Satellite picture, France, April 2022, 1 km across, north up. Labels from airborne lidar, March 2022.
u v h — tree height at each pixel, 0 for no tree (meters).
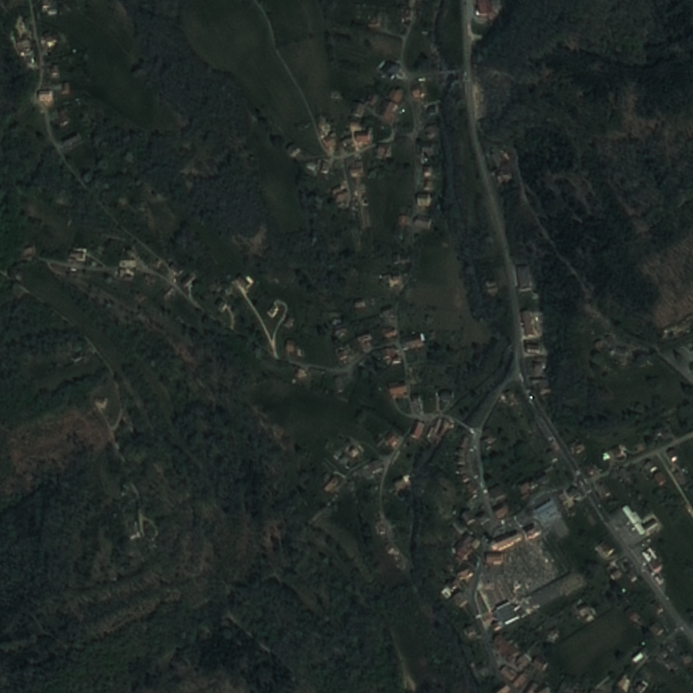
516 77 20
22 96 15
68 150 0
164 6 23
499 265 0
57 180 18
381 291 0
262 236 0
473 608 0
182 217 0
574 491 0
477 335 0
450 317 0
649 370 0
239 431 8
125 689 7
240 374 17
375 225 0
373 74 0
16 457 28
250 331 9
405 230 7
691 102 19
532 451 0
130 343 12
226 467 25
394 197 0
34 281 0
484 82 0
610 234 17
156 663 23
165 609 21
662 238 9
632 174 22
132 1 17
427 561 17
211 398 20
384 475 0
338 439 0
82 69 6
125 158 9
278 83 0
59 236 0
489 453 0
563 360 19
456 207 22
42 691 13
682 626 0
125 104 0
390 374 0
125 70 0
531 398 0
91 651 15
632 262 15
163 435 19
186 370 18
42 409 13
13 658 14
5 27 9
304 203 19
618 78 11
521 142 8
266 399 0
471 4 0
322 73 0
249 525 8
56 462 21
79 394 16
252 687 13
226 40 0
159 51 22
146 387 15
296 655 19
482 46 9
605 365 0
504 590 0
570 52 16
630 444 0
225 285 9
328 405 0
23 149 18
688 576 0
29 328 16
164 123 0
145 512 19
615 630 0
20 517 20
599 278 13
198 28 0
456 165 24
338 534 0
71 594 19
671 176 22
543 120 22
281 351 0
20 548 20
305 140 0
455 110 18
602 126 12
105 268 0
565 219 15
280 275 0
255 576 7
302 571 9
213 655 10
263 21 0
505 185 14
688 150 18
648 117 13
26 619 11
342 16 0
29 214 18
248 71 0
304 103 0
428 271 0
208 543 25
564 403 18
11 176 22
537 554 0
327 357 0
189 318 0
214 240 0
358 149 0
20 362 20
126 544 16
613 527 0
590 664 0
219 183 18
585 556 0
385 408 0
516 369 0
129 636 19
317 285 9
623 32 16
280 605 24
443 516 0
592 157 7
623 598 11
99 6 0
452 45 0
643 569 0
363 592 13
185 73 23
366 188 0
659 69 20
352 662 10
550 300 16
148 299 0
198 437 24
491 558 0
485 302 21
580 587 0
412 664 0
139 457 21
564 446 0
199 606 23
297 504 19
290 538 14
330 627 22
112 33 0
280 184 0
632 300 15
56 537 20
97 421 33
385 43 0
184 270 8
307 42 0
